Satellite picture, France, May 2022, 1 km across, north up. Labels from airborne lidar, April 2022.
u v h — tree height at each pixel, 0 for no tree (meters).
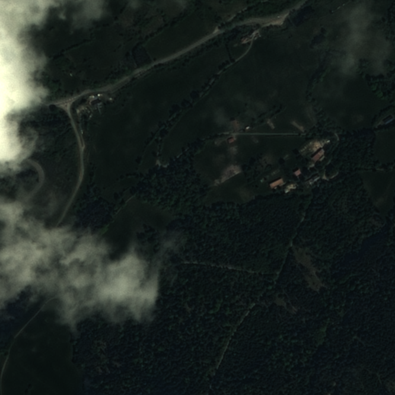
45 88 23
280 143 0
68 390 0
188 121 0
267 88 0
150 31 0
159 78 0
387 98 8
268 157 0
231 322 10
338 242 14
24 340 0
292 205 18
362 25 0
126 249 0
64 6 0
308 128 0
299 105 0
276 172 0
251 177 9
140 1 19
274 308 18
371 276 25
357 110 0
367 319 22
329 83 0
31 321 0
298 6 0
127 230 0
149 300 7
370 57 0
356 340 22
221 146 0
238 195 0
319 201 19
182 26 0
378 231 6
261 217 11
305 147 0
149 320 25
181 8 0
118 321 27
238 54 0
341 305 18
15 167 0
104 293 20
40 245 0
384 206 0
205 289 15
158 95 0
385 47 0
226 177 0
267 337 11
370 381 7
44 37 0
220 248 12
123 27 0
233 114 0
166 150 0
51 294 0
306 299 17
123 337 8
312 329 20
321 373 32
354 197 13
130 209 0
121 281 18
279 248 19
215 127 0
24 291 28
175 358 32
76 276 21
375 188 0
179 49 0
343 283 19
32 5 0
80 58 0
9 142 16
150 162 0
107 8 0
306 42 0
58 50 0
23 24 0
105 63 0
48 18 0
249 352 17
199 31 0
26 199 0
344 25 0
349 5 0
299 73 0
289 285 19
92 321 25
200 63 0
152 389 27
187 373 20
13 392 0
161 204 16
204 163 0
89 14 0
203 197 15
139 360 27
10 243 0
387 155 0
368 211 13
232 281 11
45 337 0
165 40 0
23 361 0
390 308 28
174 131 0
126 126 0
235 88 0
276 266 20
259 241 14
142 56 23
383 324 23
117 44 0
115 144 0
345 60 8
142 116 0
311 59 0
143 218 0
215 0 0
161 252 14
